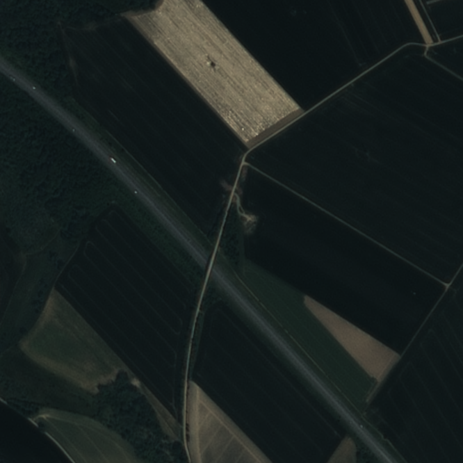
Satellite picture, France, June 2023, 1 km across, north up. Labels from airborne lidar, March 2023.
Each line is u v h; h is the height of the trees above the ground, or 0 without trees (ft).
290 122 0
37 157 71
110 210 0
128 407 26
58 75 72
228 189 0
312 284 0
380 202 0
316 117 0
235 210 29
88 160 30
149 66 0
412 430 0
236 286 0
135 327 0
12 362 0
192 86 0
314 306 0
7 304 0
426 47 0
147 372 0
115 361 0
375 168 0
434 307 0
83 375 0
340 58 0
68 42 0
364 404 0
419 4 0
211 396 0
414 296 0
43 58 55
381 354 0
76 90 0
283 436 0
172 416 0
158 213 0
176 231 0
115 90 0
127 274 0
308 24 0
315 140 0
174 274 0
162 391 0
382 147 0
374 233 0
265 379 0
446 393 0
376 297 0
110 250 0
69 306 0
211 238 28
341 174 0
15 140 73
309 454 0
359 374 0
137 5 41
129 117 0
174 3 0
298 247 0
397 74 0
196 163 0
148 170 0
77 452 0
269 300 0
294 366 0
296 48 0
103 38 0
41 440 0
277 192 0
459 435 0
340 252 0
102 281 0
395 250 0
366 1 0
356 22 0
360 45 0
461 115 0
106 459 0
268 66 0
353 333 0
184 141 0
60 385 0
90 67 0
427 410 0
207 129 0
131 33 0
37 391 0
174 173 0
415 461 0
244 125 0
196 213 0
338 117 0
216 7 0
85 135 0
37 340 0
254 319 0
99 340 0
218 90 0
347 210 0
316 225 0
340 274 0
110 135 0
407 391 0
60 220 45
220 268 0
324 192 0
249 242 0
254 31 0
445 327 0
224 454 0
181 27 0
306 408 0
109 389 30
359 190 0
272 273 0
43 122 34
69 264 0
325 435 0
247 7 0
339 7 0
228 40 0
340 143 0
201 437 0
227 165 0
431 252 0
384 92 0
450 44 0
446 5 0
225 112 0
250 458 0
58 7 55
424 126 0
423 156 0
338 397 0
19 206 19
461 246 0
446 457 0
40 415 0
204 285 0
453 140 0
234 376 0
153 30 0
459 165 0
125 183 0
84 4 39
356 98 0
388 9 0
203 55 0
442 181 0
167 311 0
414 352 0
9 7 73
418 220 0
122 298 0
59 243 0
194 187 0
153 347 0
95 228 0
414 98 0
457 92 0
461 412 0
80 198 23
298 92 0
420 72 0
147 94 0
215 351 0
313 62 0
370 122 0
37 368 0
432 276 0
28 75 21
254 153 0
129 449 0
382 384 0
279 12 0
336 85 0
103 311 0
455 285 0
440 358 0
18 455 0
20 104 47
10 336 0
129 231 0
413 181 0
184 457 52
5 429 0
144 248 0
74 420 0
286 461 0
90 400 0
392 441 0
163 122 0
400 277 0
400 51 0
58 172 36
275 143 0
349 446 0
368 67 0
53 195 34
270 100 0
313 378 0
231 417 0
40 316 0
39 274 0
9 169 21
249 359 0
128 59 0
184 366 28
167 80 0
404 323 0
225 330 0
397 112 0
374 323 0
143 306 0
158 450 22
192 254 0
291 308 0
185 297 0
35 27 96
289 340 0
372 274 0
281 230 0
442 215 0
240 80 0
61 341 0
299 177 0
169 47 0
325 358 0
